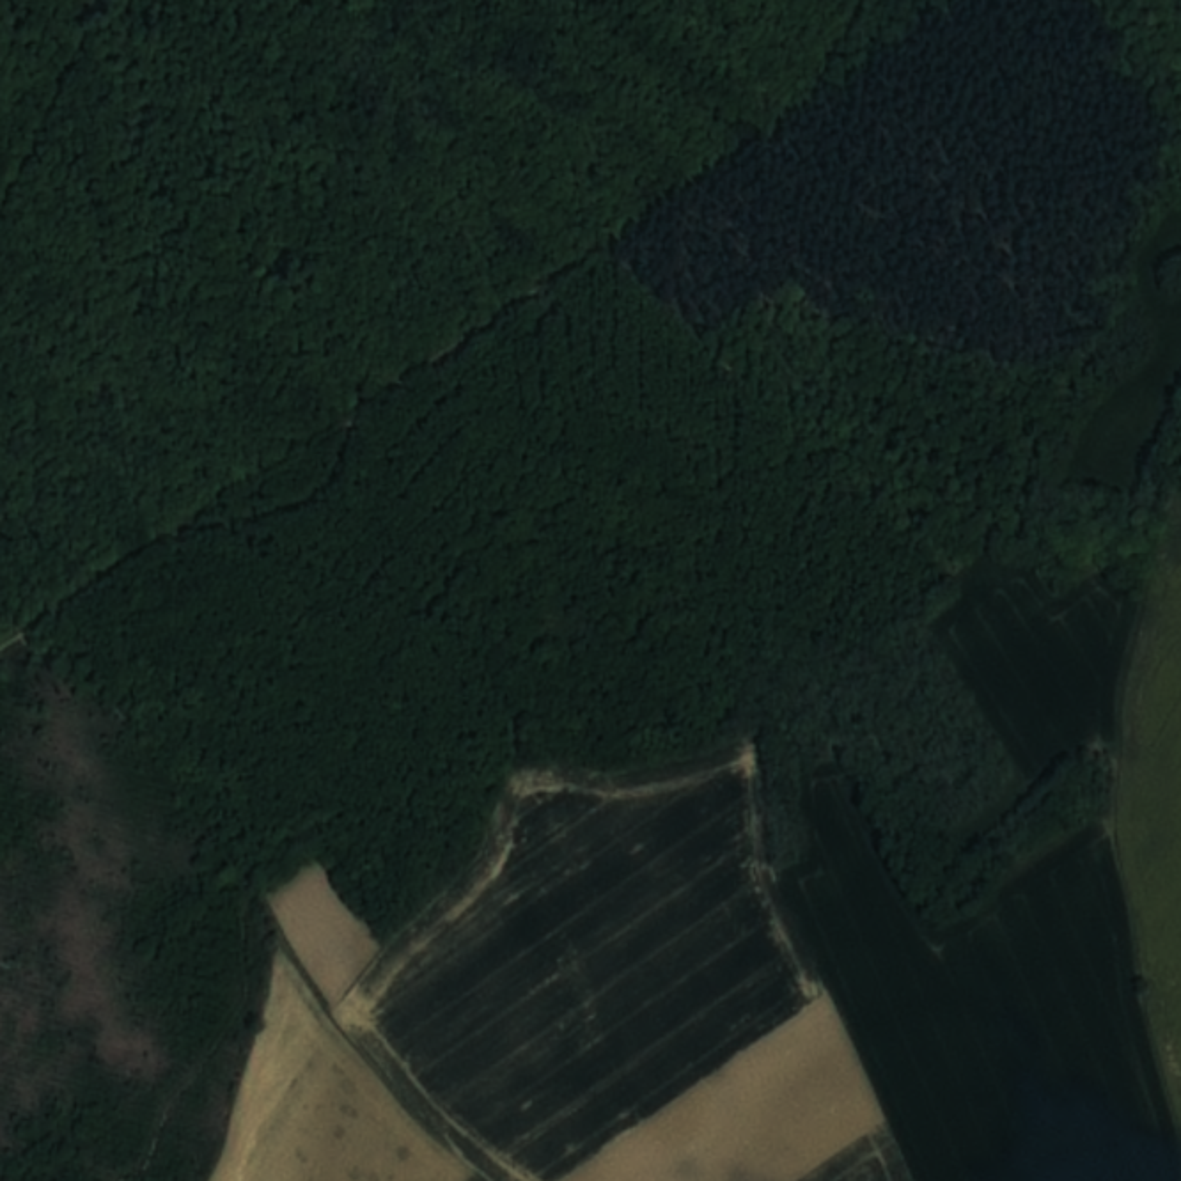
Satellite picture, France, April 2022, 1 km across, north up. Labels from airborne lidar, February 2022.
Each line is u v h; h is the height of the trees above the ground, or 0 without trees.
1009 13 34
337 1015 0
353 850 14
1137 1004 0
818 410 29
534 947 0
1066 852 0
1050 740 0
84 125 29
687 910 0
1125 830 0
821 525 14
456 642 14
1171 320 0
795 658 28
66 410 25
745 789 0
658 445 11
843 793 0
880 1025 0
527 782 0
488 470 7
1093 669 0
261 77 27
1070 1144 0
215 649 17
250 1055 0
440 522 13
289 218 26
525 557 13
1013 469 24
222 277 23
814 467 16
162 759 10
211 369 25
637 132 20
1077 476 0
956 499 29
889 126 29
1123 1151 0
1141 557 24
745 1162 0
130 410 26
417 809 13
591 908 0
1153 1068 0
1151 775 0
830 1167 0
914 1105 0
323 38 19
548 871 0
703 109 18
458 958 0
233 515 16
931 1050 0
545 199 22
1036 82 38
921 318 28
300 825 16
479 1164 0
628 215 21
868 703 21
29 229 26
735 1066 0
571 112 18
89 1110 10
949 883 19
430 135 17
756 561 21
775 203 36
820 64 19
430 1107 0
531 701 18
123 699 13
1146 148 33
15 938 0
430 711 18
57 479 24
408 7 23
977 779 27
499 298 18
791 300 26
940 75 32
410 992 0
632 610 14
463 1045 0
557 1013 0
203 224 24
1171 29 36
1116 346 25
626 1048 0
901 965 0
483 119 17
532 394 16
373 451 18
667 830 0
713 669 20
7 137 24
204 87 28
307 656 17
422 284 16
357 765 18
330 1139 0
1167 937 0
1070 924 0
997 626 0
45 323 22
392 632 15
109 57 30
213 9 26
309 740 17
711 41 20
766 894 0
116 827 0
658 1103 0
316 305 25
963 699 20
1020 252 16
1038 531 24
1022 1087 0
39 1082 0
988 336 30
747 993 0
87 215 27
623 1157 0
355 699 16
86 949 0
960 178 23
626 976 0
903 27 26
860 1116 0
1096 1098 0
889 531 15
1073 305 34
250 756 17
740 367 20
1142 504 20
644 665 15
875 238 28
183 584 14
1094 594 0
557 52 17
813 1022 0
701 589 19
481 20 19
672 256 30
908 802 25
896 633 22
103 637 20
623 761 11
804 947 0
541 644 8
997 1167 0
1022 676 0
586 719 15
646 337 17
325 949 0
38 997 0
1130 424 0
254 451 21
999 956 0
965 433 27
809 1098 0
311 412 20
